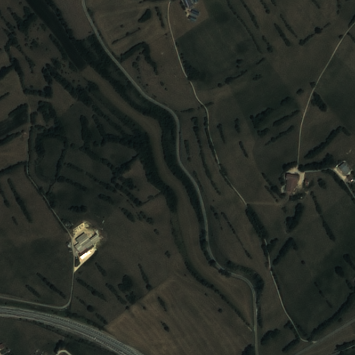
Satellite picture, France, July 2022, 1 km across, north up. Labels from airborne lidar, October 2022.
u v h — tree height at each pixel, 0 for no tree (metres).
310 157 10
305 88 0
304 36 0
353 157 0
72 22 0
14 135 7
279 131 0
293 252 0
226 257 0
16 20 8
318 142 0
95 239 0
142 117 0
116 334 0
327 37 0
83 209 15
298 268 0
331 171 9
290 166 11
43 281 11
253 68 0
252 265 0
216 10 0
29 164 6
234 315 0
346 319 0
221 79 0
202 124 0
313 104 7
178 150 0
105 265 0
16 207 0
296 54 0
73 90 13
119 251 0
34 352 0
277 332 15
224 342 0
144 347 0
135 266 0
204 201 0
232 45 0
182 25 0
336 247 0
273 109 7
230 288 0
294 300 0
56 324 0
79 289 0
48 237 0
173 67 0
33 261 0
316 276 0
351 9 0
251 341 0
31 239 0
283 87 0
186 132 0
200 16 0
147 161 10
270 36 0
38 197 0
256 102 0
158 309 0
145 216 8
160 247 0
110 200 11
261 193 0
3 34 0
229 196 0
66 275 0
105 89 0
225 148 0
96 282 0
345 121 0
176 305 0
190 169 0
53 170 0
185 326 0
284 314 0
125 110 0
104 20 0
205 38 0
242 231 0
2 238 0
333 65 0
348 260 16
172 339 0
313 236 0
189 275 0
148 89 0
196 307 0
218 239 0
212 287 9
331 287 0
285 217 0
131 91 0
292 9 0
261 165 0
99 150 0
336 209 0
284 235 0
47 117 10
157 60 0
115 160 0
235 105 0
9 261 0
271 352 0
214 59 0
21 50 9
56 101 0
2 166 0
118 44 0
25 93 13
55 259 0
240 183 0
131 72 0
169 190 14
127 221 0
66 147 7
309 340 14
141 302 0
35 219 0
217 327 0
